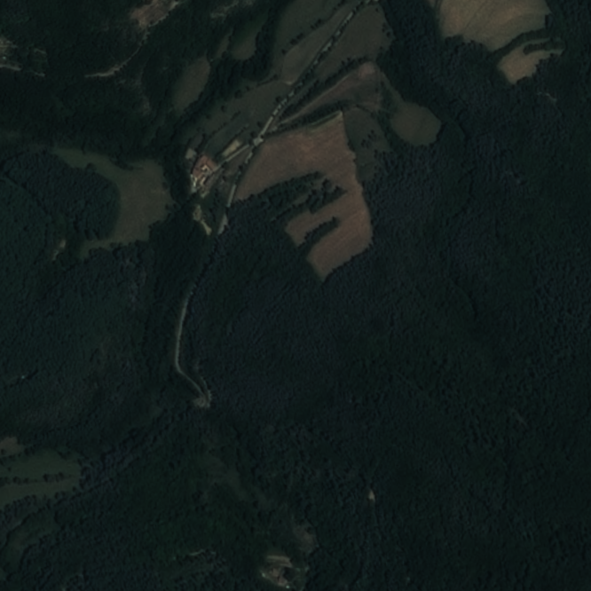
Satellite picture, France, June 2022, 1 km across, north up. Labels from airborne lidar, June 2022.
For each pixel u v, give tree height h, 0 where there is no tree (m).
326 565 6
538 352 14
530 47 7
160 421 13
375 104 0
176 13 10
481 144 28
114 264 26
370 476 13
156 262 22
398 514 18
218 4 10
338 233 0
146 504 19
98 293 33
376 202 10
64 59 19
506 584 13
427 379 11
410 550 10
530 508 17
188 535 17
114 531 18
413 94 20
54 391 17
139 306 34
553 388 20
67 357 32
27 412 19
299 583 9
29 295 28
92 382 12
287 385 23
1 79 14
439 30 10
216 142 0
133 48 8
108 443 13
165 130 21
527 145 17
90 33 12
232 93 13
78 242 12
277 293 14
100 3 8
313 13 0
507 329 22
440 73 12
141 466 17
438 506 11
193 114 18
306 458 21
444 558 14
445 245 21
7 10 21
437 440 16
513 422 12
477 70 11
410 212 20
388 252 18
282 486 7
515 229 24
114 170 0
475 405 19
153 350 12
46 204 33
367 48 0
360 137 0
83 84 12
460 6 0
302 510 7
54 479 19
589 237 20
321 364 19
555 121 20
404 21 22
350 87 0
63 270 10
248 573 21
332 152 0
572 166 15
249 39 0
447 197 17
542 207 19
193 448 14
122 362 15
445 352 21
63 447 28
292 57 0
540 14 0
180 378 18
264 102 0
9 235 34
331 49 10
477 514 18
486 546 15
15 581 17
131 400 28
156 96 14
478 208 20
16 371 30
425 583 16
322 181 0
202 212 0
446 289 13
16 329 36
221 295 20
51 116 13
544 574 18
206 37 12
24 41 9
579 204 13
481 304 19
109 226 32
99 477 22
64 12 15
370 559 15
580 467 15
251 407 18
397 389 19
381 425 11
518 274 19
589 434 18
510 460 19
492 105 17
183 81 0
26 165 26
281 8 16
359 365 22
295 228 0
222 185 0
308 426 20
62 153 0
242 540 18
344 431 19
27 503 10
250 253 17
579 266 30
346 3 12
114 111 15
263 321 15
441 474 16
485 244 21
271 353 21
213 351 19
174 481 15
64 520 19
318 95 9
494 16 0
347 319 25
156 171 0
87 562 19
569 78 15
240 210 19
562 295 28
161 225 19
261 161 0
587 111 20
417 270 14
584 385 15
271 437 13
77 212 27
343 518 12
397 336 18
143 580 21
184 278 15
